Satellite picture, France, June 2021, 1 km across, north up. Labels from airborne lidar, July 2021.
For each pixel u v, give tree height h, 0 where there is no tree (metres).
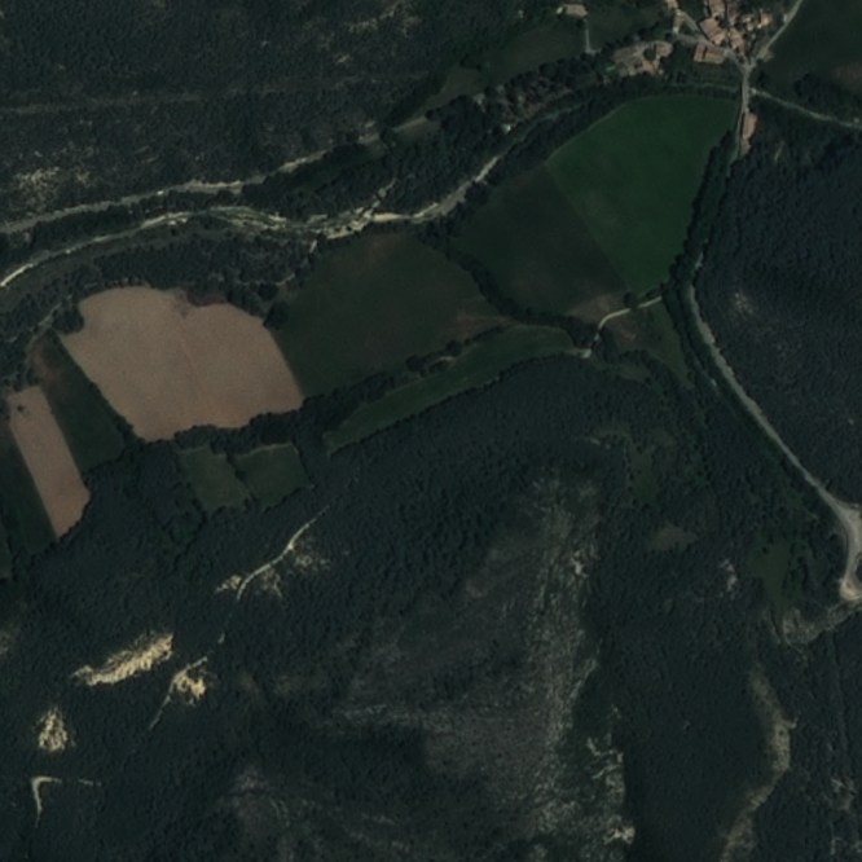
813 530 11
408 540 7
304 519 7
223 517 16
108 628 10
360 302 0
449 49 8
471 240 0
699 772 14
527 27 7
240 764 9
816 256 9
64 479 0
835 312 8
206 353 0
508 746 0
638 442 6
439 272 0
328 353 0
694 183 0
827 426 8
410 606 6
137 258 11
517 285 0
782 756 0
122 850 9
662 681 11
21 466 0
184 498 15
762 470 12
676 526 9
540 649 0
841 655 8
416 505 9
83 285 10
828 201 14
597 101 13
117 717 7
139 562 11
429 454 15
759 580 10
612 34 0
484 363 0
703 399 8
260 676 9
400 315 0
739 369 9
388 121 13
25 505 0
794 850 15
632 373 0
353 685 0
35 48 9
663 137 0
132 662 0
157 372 0
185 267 12
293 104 7
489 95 16
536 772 0
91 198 7
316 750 10
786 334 6
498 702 0
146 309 0
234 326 0
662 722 10
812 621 0
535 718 0
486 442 12
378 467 14
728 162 17
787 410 6
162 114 8
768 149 7
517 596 0
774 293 8
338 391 10
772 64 0
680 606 11
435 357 7
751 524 14
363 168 9
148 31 8
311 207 11
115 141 8
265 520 11
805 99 21
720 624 9
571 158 0
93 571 12
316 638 11
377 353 0
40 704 6
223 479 0
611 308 0
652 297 11
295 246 8
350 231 7
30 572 13
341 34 10
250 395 0
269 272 9
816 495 13
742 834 0
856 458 8
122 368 0
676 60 12
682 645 11
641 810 10
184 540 6
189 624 10
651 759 10
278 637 9
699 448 15
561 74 19
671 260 0
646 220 0
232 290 15
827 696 10
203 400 0
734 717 17
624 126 0
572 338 7
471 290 0
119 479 16
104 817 12
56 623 10
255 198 12
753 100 10
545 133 10
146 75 10
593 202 0
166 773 9
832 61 0
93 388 10
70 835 7
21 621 7
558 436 9
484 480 9
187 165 9
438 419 12
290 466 0
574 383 13
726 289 8
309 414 16
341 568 6
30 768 9
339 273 0
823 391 7
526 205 0
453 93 0
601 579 13
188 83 9
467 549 13
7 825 13
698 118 0
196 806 9
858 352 6
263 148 8
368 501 10
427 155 11
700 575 12
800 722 10
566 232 0
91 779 9
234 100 10
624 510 8
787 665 13
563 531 0
